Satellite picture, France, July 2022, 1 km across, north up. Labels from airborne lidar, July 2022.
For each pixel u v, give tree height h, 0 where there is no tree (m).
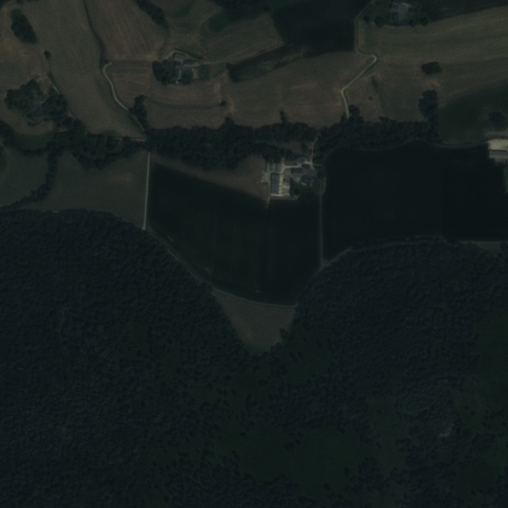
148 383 14
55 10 0
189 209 0
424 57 0
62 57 0
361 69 0
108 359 13
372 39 0
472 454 8
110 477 21
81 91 0
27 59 0
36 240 34
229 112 0
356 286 27
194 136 21
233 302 0
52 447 17
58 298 25
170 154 19
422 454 9
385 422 0
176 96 0
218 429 18
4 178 0
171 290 23
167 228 0
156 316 23
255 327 0
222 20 0
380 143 20
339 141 21
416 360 20
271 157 14
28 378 30
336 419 22
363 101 0
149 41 0
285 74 0
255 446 0
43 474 29
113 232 27
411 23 12
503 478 16
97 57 0
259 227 0
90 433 7
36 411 8
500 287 21
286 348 6
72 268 17
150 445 10
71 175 0
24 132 0
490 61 0
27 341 11
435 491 16
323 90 0
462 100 0
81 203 0
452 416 8
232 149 11
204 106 0
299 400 12
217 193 0
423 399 6
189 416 24
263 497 22
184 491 21
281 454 0
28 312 28
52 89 6
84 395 10
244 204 0
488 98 0
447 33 0
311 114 0
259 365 12
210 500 20
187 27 0
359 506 0
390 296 28
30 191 0
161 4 0
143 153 0
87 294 23
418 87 0
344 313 24
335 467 0
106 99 0
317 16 0
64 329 28
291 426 21
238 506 15
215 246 0
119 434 22
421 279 23
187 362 13
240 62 0
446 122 0
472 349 15
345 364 27
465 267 41
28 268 22
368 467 17
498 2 0
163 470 21
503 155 0
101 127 0
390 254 24
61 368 26
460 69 0
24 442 9
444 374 11
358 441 0
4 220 19
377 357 21
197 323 18
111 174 0
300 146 0
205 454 16
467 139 0
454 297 23
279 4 0
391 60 0
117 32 0
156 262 23
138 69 0
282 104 0
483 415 0
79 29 0
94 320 12
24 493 21
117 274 25
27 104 6
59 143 13
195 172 0
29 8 0
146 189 0
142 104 8
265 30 0
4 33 0
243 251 0
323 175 9
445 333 10
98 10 0
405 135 9
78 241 26
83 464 23
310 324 20
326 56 0
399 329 18
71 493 12
